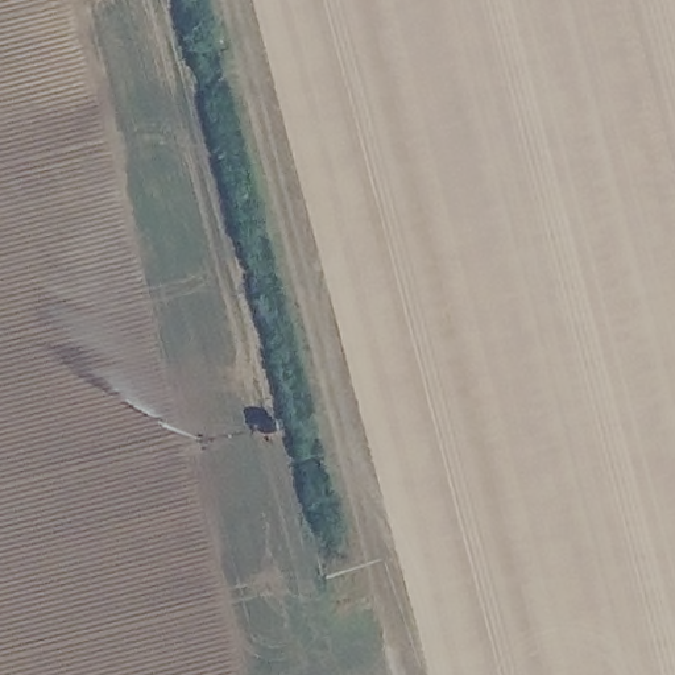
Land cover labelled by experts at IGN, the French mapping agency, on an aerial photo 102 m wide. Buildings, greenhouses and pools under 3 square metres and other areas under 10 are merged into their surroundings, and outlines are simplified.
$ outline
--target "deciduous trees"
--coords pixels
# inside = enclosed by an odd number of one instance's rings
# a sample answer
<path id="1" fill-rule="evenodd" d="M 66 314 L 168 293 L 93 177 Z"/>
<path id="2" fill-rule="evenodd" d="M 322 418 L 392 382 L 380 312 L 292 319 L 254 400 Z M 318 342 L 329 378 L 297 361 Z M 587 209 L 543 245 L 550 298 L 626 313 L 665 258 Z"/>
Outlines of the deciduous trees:
<path id="1" fill-rule="evenodd" d="M 285 451 L 293 464 L 295 496 L 308 527 L 316 538 L 322 538 L 322 556 L 330 556 L 335 562 L 335 570 L 348 564 L 348 522 L 343 519 L 340 496 L 332 490 L 330 472 L 324 469 L 324 448 L 314 419 L 314 396 L 298 356 L 298 340 L 287 311 L 287 295 L 282 290 L 274 250 L 266 235 L 266 206 L 258 195 L 235 95 L 224 79 L 224 61 L 214 40 L 214 0 L 166 0 L 171 5 L 171 24 L 179 53 L 195 76 L 195 108 L 200 119 L 200 132 L 208 148 L 208 163 L 214 171 L 224 227 L 232 240 L 235 256 L 243 266 L 245 298 L 261 340 L 261 364 L 269 380 L 272 398 L 282 393 L 285 414 L 290 422 L 290 432 L 285 432 Z"/>

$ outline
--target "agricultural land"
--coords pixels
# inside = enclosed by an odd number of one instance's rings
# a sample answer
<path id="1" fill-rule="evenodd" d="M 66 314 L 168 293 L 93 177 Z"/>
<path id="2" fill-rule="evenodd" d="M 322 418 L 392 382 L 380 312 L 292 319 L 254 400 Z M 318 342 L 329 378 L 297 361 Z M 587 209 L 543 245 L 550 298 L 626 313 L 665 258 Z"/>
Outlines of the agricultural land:
<path id="1" fill-rule="evenodd" d="M 322 556 L 322 538 L 316 538 L 308 527 L 295 496 L 293 464 L 285 451 L 285 432 L 290 432 L 290 422 L 285 414 L 282 393 L 272 398 L 269 380 L 261 364 L 261 340 L 245 298 L 243 266 L 235 256 L 232 240 L 224 227 L 214 171 L 208 163 L 208 148 L 200 132 L 200 119 L 195 108 L 195 76 L 179 53 L 171 24 L 171 5 L 166 0 L 0 0 L 0 675 L 675 675 L 675 0 L 214 0 L 214 40 L 224 61 L 224 79 L 235 95 L 258 195 L 266 206 L 266 235 L 274 250 L 282 290 L 287 295 L 287 311 L 298 340 L 298 356 L 314 396 L 314 419 L 324 448 L 324 469 L 330 472 L 332 490 L 340 496 L 343 519 L 348 522 L 348 564 L 335 570 L 335 562 L 330 556 Z"/>

